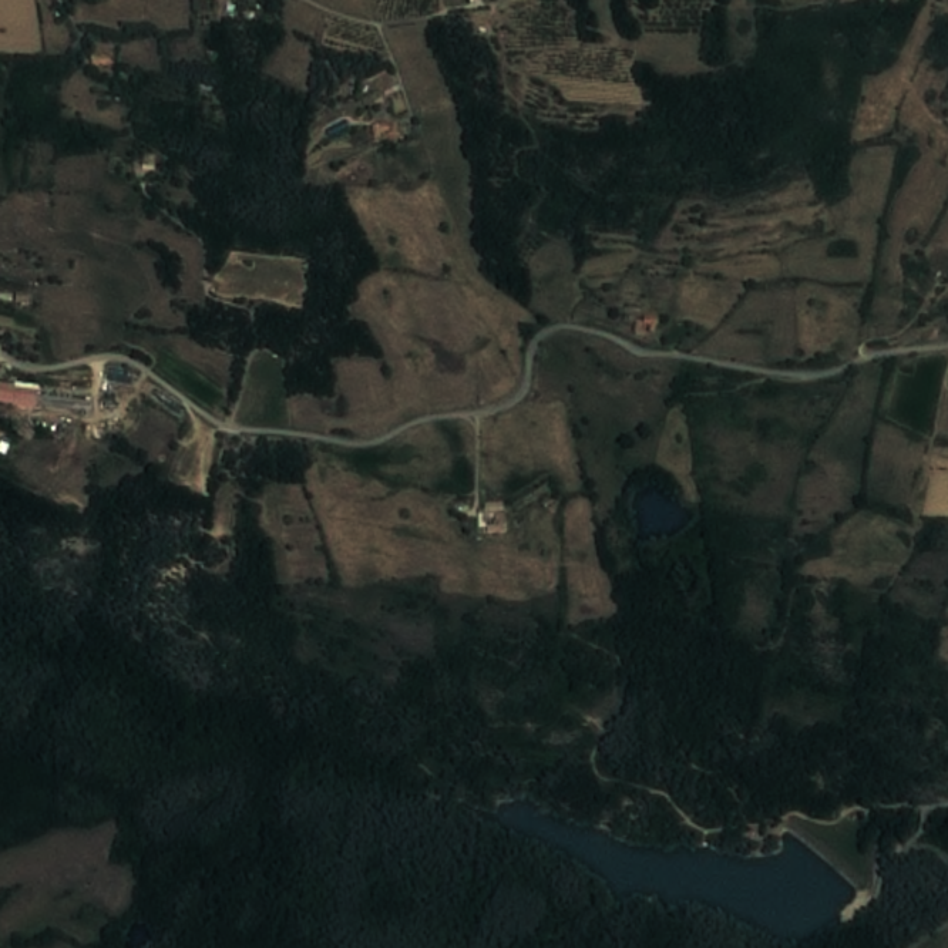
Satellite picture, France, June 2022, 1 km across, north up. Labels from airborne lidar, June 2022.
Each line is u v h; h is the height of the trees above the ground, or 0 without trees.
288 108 7
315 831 9
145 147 6
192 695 14
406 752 12
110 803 6
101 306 0
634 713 17
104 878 0
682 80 7
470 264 0
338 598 0
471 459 0
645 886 0
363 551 0
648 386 0
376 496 0
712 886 0
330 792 16
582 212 7
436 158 0
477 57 9
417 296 0
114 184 0
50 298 0
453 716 6
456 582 0
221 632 7
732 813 11
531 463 0
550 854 9
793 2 0
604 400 0
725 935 15
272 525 0
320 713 16
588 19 10
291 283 0
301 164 11
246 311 9
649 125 9
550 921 16
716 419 0
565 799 10
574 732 0
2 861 0
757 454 0
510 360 0
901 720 12
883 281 0
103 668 15
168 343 0
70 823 9
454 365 0
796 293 0
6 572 12
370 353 10
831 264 0
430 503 0
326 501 0
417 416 0
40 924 0
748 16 0
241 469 6
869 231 0
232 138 6
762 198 0
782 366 7
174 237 0
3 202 7
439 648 6
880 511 0
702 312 0
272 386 0
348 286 11
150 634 13
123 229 0
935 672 5
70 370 0
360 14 0
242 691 10
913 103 0
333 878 14
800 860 0
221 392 0
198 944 13
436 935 16
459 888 19
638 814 9
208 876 19
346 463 0
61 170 0
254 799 13
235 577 12
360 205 0
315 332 13
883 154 0
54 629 17
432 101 0
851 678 14
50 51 0
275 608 8
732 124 12
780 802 8
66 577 8
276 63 0
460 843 17
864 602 0
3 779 12
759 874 0
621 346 0
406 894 16
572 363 0
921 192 0
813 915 0
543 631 8
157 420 0
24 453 0
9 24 0
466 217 0
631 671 12
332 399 6
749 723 10
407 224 0
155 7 0
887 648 7
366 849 18
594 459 0
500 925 17
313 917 16
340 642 9
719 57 7
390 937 11
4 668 17
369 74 10
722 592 9
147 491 13
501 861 13
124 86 10
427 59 0
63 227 0
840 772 19
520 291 7
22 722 12
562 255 0
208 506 9
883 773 13
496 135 11
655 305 0
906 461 0
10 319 0
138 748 14
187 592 7
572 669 11
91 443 0
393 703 10
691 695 16
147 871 15
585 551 0
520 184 11
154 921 15
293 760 14
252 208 13
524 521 0
